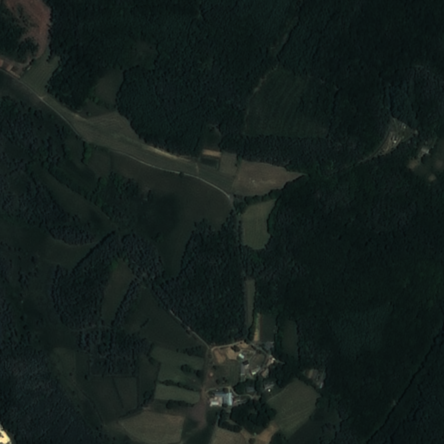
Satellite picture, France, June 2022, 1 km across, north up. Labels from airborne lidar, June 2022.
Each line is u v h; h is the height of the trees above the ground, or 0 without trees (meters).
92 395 0
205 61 13
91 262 19
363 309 18
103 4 24
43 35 0
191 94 20
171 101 13
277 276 17
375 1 29
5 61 0
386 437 22
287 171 6
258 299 10
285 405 0
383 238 22
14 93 0
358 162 12
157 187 0
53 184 0
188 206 0
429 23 21
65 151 15
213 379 0
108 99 0
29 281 15
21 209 10
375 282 20
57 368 0
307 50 14
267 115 0
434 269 21
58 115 0
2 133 18
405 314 22
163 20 18
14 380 11
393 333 23
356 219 8
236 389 17
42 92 0
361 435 20
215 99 10
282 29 18
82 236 13
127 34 15
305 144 19
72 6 21
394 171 24
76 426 14
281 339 11
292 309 17
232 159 0
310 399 0
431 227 23
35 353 10
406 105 32
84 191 15
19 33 11
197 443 0
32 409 11
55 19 25
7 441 0
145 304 0
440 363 29
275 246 18
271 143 19
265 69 18
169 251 0
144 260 18
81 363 0
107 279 7
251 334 11
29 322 0
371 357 20
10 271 18
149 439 0
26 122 23
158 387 0
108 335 12
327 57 23
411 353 20
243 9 27
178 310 19
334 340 19
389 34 24
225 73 10
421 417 22
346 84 24
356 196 13
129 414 7
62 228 13
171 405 12
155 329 0
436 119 17
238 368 0
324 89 7
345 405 16
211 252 18
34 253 0
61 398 13
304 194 17
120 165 0
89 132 0
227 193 0
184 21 21
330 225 29
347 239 29
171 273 0
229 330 8
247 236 0
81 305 18
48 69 0
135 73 17
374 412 24
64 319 17
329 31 21
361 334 20
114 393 0
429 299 20
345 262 21
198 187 0
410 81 19
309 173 13
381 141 12
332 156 14
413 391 21
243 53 20
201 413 0
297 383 0
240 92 20
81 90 19
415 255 27
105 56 16
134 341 10
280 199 13
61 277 14
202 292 11
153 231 0
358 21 26
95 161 0
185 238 0
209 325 11
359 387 26
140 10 22
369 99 15
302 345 16
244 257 19
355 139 15
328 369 16
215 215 0
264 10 19
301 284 18
